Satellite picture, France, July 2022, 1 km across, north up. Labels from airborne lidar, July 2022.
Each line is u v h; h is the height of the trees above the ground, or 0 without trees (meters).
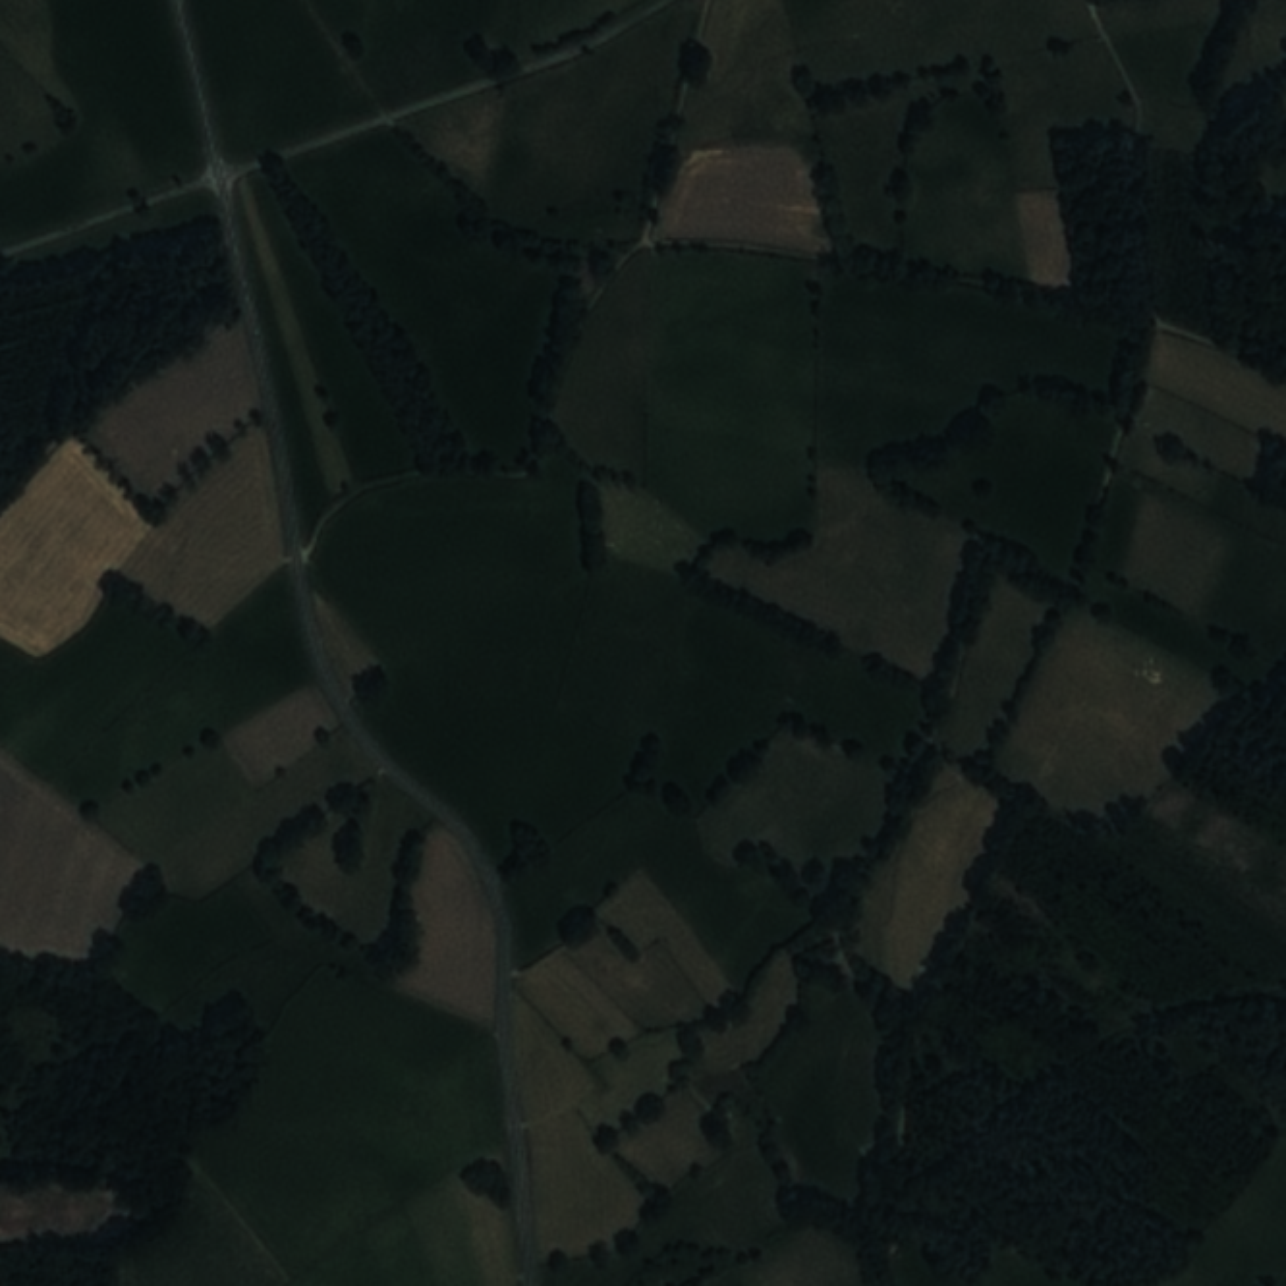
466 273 0
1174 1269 23
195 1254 0
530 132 0
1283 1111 25
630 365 0
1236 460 0
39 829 0
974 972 11
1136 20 0
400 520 0
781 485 0
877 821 0
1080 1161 6
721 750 0
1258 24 0
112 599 18
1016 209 0
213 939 0
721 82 0
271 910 0
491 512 0
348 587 0
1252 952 0
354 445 0
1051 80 0
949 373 0
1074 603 20
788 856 0
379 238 0
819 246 0
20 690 0
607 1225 0
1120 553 0
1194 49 0
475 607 0
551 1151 0
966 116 0
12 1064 6
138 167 0
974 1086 16
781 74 0
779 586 0
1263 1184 0
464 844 0
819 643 18
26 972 18
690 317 0
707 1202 0
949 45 0
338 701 0
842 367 0
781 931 0
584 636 0
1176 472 0
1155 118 0
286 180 18
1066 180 23
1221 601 0
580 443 0
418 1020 0
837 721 0
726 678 0
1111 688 0
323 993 0
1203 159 13
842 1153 0
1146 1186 17
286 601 0
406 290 0
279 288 0
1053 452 0
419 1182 0
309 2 0
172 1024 0
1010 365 0
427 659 0
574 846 0
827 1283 0
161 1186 29
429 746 0
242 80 0
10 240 0
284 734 0
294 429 0
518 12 0
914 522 0
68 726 0
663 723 0
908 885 0
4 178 0
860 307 0
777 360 0
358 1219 0
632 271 0
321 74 0
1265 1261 0
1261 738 16
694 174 0
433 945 0
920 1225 24
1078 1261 12
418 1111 0
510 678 0
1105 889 7
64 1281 6
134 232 0
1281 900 0
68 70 0
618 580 0
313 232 17
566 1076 0
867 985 17
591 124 0
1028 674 7
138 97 0
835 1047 0
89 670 0
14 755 0
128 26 0
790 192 0
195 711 0
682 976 0
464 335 0
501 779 0
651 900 0
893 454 16
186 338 25
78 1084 20
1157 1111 8
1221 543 0
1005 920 11
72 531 0
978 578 24
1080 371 0
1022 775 0
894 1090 26
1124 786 0
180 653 0
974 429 26
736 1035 0
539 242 7
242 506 0
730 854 0
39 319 9
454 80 0
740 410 0
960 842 0
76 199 0
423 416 18
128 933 0
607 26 8
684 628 0
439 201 0
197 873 0
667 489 0
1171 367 0
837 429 0
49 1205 0
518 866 16
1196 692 0
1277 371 20
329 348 0
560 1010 0
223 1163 0
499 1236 0
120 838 0
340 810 19
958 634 23
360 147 0
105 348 19
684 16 0
